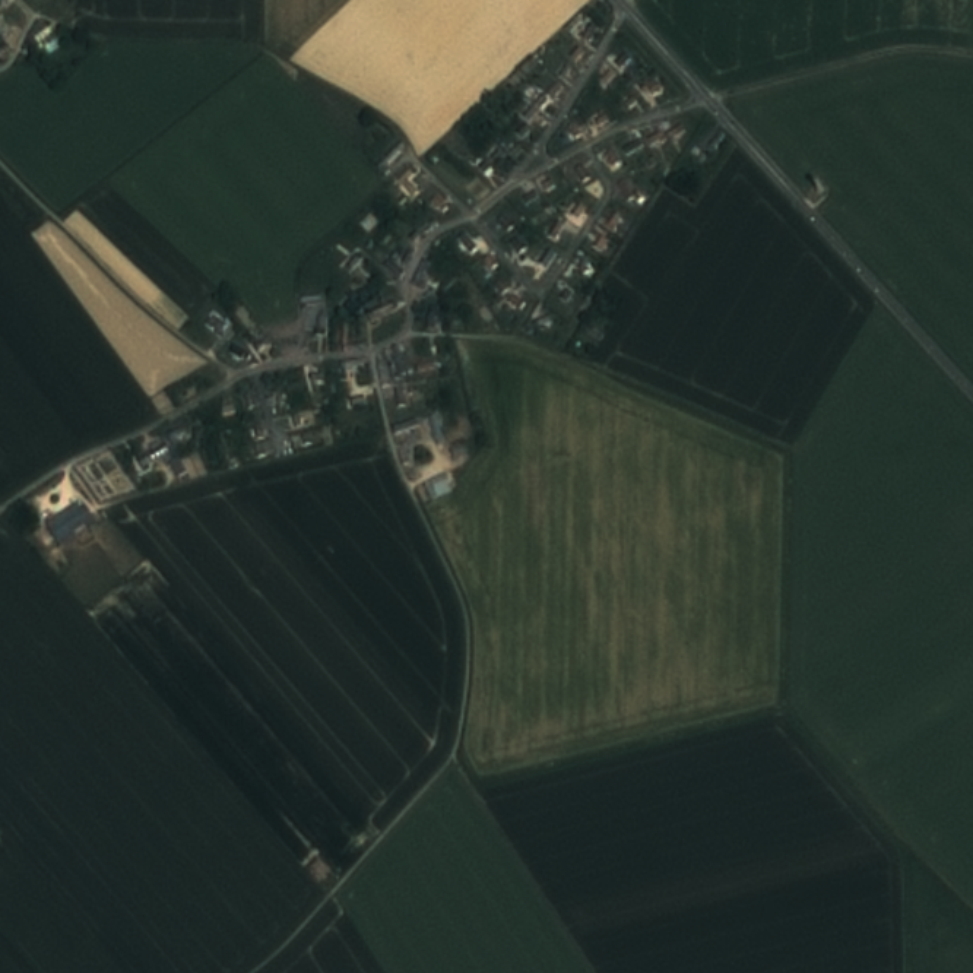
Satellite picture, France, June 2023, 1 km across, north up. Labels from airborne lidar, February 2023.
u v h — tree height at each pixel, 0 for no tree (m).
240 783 0
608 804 0
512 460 0
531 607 0
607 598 0
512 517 0
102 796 0
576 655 0
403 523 0
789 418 0
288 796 0
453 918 0
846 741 0
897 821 0
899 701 0
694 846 0
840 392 0
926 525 0
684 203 0
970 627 0
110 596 0
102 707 0
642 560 0
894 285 0
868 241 0
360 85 0
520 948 0
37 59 11
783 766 0
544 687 0
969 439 0
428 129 0
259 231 0
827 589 0
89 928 0
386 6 0
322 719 0
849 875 0
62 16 0
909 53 0
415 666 0
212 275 0
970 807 0
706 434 0
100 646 0
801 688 0
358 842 0
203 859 0
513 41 0
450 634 0
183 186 0
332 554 0
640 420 0
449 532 0
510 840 0
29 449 0
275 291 0
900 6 0
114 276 0
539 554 0
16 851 0
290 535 0
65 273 0
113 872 0
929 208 0
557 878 0
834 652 0
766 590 0
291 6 0
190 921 0
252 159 0
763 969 0
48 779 0
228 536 0
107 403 0
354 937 0
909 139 0
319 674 0
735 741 0
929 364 0
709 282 0
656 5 0
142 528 0
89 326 0
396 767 0
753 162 0
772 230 0
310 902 0
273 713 0
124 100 0
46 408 0
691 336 0
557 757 0
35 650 0
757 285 0
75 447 0
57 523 0
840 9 0
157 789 0
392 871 0
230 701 0
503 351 0
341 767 0
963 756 0
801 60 0
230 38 0
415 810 0
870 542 0
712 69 0
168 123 0
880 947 0
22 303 0
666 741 0
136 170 0
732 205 0
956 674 0
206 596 0
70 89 0
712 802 0
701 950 0
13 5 0
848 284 0
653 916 0
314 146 0
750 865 0
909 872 0
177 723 0
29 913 0
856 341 0
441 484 0
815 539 0
